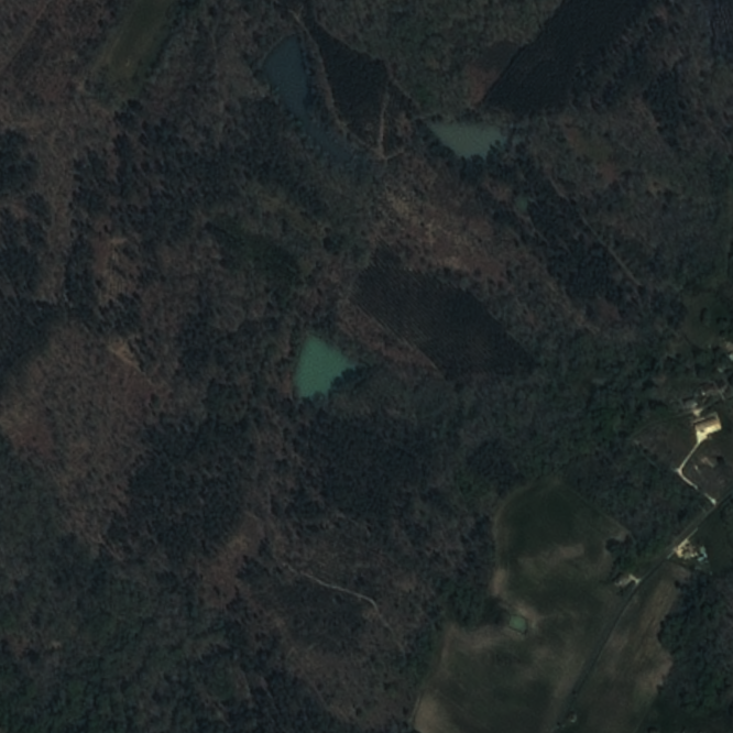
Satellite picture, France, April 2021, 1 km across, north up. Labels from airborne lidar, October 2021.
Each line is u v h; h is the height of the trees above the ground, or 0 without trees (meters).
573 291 18
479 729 0
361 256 17
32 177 21
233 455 12
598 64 10
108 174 24
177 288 12
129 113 21
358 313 6
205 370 11
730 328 6
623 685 0
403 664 17
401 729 19
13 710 24
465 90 21
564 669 0
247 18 12
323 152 8
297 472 8
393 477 22
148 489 15
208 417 10
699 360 18
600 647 0
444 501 18
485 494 14
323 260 12
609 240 8
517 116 11
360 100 11
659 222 14
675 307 15
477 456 15
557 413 15
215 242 13
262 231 18
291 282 6
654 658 0
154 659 19
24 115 15
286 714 23
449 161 19
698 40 16
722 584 22
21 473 23
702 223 15
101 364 13
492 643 0
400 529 8
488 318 12
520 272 9
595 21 12
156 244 16
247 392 7
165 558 11
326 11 15
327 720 17
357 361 9
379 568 8
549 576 0
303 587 9
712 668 16
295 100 0
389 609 0
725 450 0
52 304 11
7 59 10
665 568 0
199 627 24
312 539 12
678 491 18
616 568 9
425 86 22
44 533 21
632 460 18
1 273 24
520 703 0
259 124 21
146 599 18
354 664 11
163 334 9
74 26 8
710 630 15
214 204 24
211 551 24
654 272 10
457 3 20
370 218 8
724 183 20
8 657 12
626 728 0
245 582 20
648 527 12
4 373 22
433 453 20
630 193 12
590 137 12
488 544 23
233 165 25
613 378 6
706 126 10
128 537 16
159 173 10
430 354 9
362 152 10
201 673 17
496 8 14
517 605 0
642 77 18
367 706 9
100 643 17
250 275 15
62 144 12
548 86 11
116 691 7
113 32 13
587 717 0
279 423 7
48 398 17
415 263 12
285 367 15
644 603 0
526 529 0
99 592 26
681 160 21
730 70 25
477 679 0
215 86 17
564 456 14
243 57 14
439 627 20
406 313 9
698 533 0
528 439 15
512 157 18
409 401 14
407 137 6
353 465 22
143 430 11
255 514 12
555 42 12
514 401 12
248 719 21
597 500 11
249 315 11
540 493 0
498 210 17
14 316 24
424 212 6
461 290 9
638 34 22
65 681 19
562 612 0
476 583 13
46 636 7
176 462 22
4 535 20
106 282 13
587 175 15
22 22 13
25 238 10
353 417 15
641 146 18
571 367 14
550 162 16
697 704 13
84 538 18
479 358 6
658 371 19
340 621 7
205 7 13
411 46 23
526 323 9
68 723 12
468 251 0
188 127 11
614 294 17
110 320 20
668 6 9
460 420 9
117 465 14
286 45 0
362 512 24
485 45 15
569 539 0
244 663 23
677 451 0
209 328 14
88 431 17
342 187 22
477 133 0
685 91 22
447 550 13
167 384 9
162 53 6
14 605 23
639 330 18
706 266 17
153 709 17
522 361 11
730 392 11
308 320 17
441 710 0
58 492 19
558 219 14
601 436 17
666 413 15
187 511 24
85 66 11
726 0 15
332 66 13
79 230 21
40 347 25
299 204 20
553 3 17
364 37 24
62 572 21
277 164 25
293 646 0
